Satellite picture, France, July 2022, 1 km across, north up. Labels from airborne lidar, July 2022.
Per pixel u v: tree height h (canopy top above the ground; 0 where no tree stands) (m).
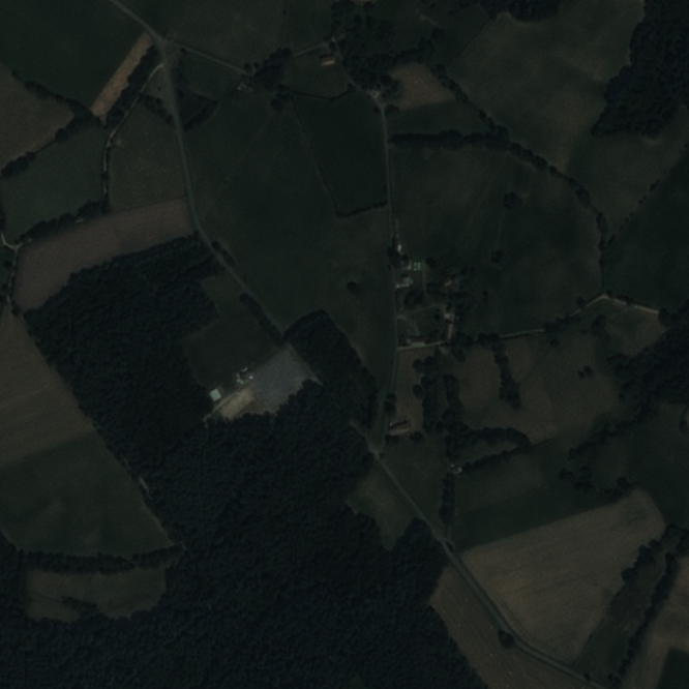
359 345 0
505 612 0
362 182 0
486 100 0
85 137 0
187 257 6
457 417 20
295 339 19
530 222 0
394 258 19
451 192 0
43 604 0
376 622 25
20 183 0
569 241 0
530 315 0
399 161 0
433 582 20
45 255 0
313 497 27
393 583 23
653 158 0
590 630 0
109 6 0
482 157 0
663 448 0
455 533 0
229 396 0
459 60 0
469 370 0
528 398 0
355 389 21
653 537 0
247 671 21
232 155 0
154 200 0
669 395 21
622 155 0
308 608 33
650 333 0
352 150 0
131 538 0
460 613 0
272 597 23
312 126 0
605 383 0
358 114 0
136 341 17
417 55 10
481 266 0
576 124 0
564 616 0
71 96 0
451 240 0
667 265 0
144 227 0
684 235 0
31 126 0
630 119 8
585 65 0
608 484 0
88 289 13
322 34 0
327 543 17
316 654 31
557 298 0
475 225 0
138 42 0
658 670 0
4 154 0
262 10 0
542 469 0
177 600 9
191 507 15
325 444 23
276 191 0
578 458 13
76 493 0
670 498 0
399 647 20
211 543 8
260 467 19
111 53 0
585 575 0
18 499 0
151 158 0
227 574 22
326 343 25
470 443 12
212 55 0
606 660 0
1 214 10
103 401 16
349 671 25
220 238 0
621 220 0
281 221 0
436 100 0
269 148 0
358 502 0
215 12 0
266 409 0
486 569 0
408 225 0
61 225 10
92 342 15
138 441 21
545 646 0
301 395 9
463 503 0
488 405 0
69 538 0
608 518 0
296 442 20
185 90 0
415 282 0
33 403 0
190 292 18
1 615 29
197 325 17
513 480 0
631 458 0
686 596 0
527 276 0
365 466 15
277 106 16
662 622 0
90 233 0
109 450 10
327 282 0
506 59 0
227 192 0
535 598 0
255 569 27
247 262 0
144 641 24
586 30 0
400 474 0
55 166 0
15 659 15
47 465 0
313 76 0
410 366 0
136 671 19
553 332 22
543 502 0
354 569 23
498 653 0
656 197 0
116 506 0
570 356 0
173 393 20
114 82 0
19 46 0
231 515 22
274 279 0
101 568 18
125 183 0
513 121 0
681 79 19
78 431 0
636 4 0
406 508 0
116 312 15
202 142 0
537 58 0
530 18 19
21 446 0
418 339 0
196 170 0
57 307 12
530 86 0
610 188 0
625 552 0
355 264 0
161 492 20
